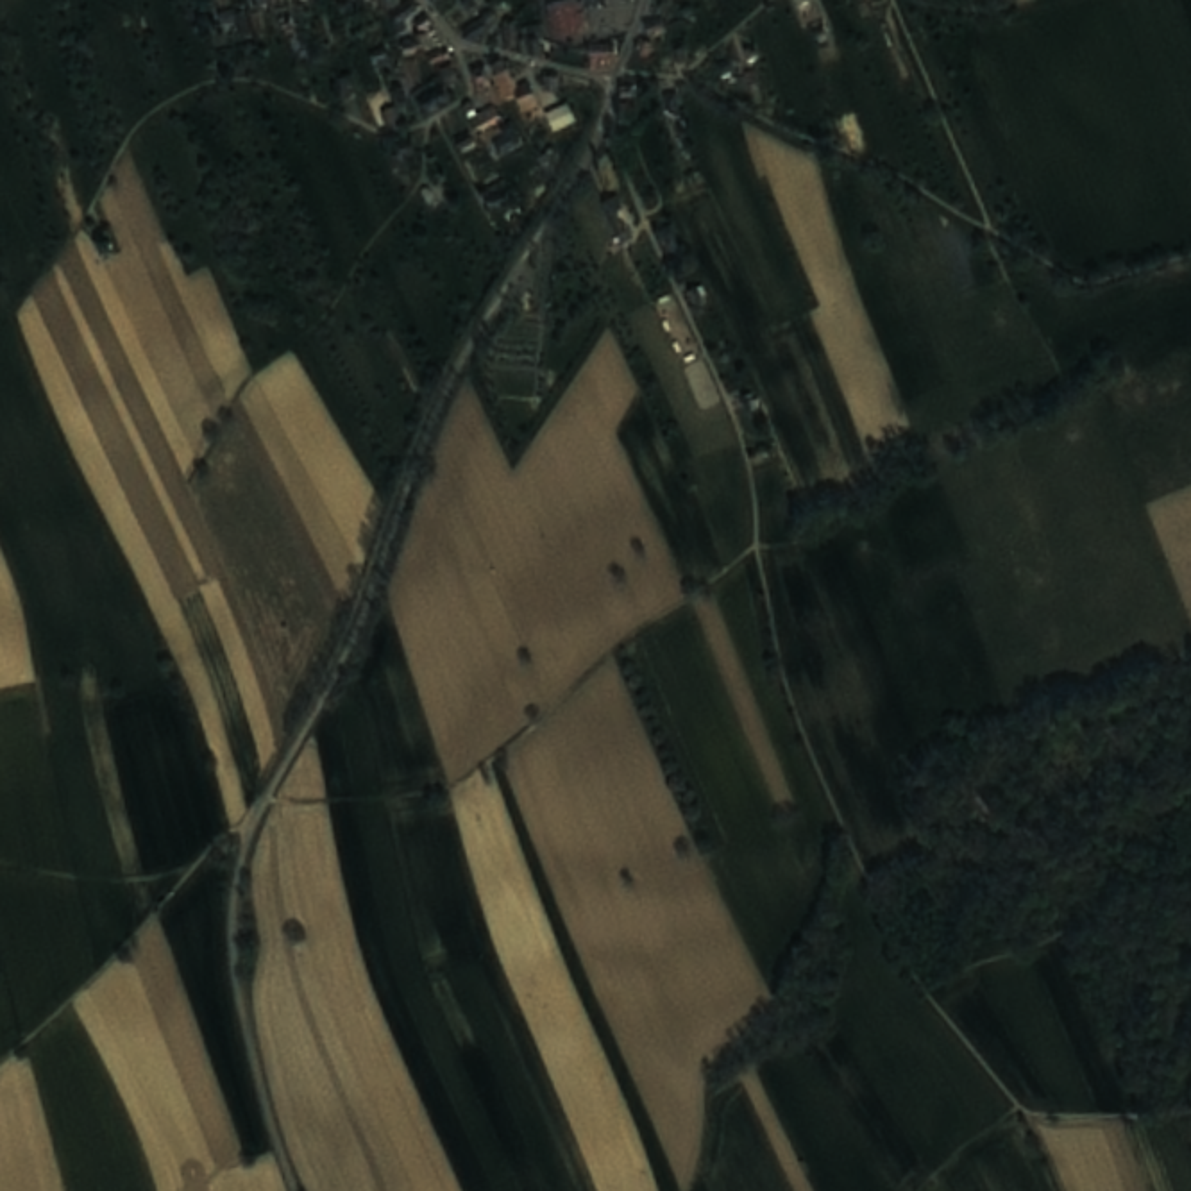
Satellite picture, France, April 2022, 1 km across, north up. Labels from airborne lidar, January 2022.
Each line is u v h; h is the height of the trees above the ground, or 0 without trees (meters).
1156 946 32
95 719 0
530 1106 0
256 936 7
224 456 0
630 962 0
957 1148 0
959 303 0
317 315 0
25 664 0
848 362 0
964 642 0
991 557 0
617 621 0
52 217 0
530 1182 0
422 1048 0
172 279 0
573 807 0
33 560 0
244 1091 0
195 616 0
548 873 0
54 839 0
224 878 6
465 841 0
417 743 0
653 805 0
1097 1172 0
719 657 0
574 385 0
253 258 12
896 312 0
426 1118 0
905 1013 0
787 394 0
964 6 9
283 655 0
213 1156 0
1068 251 0
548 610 0
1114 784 36
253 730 0
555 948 0
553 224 18
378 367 0
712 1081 15
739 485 0
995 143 0
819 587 0
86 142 8
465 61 0
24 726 0
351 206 0
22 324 0
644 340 0
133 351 0
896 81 0
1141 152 0
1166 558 0
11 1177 0
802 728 0
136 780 0
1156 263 14
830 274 0
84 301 0
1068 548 0
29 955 0
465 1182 0
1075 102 0
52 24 0
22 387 0
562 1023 0
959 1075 0
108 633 0
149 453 0
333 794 0
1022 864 32
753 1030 14
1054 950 0
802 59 0
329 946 0
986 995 0
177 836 0
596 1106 0
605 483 0
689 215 0
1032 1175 0
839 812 0
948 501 0
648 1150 0
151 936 0
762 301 0
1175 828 14
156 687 0
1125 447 0
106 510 0
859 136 0
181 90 0
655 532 0
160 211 0
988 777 24
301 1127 0
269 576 0
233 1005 0
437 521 0
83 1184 0
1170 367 0
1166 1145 0
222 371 0
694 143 13
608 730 0
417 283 0
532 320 0
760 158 0
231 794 0
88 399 0
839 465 0
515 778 0
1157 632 0
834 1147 0
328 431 0
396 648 0
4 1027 0
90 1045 0
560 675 0
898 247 0
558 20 0
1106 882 16
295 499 0
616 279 0
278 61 0
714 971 0
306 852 0
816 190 0
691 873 0
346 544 0
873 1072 0
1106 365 19
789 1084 0
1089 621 0
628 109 15
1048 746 33
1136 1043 26
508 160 0
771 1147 0
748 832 0
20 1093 0
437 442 13
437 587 0
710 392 0
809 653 0
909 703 0
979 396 0
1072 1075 0
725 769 0
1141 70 0
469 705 0
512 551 0
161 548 0
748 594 0
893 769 0
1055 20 0
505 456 0
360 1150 0
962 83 0
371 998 0
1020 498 0
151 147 0
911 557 0
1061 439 0
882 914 21
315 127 0
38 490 0
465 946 0
